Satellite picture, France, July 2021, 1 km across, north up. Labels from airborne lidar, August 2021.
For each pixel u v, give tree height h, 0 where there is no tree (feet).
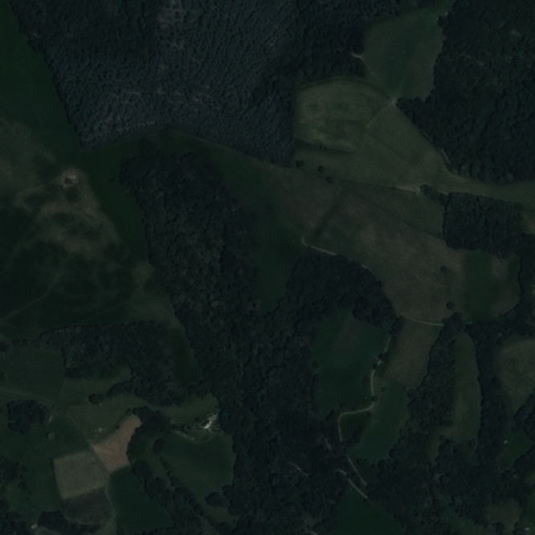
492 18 73
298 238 0
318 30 66
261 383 69
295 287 54
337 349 0
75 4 68
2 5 0
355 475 39
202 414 0
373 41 0
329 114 0
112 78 66
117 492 0
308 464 73
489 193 0
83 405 0
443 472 69
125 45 80
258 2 74
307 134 0
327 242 0
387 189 0
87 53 74
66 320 0
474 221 62
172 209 67
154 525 0
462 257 0
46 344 59
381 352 0
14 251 0
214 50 60
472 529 0
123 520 0
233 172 0
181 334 0
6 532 51
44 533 0
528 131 69
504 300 0
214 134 44
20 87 0
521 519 24
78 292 0
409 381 0
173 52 52
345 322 0
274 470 84
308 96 0
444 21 59
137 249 0
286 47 76
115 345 69
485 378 75
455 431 0
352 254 0
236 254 80
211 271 22
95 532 40
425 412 81
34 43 75
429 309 0
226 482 0
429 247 0
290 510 84
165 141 0
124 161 29
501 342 37
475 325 52
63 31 59
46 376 0
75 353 66
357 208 0
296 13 46
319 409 52
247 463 92
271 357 84
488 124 67
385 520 0
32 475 0
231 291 82
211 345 49
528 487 61
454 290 0
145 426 63
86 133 61
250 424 93
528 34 74
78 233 0
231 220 67
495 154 64
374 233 0
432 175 0
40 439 0
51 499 0
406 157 0
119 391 64
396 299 0
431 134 42
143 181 52
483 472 64
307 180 0
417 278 0
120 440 0
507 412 36
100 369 88
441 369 80
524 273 64
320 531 59
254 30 57
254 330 68
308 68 80
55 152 0
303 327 89
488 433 61
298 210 0
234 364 101
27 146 0
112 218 0
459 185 0
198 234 78
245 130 51
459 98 74
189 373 0
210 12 55
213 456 0
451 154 50
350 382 0
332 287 66
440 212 0
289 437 79
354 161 0
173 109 60
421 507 97
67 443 0
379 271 0
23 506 0
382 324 64
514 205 49
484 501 78
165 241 82
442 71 74
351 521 0
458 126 42
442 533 85
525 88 29
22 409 91
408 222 0
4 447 0
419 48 0
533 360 0
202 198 81
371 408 0
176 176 72
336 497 70
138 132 50
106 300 0
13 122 0
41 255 0
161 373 78
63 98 57
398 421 0
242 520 29
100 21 71
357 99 0
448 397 62
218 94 46
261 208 0
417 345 0
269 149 48
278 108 61
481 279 0
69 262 0
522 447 0
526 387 0
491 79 96
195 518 92
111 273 0
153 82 60
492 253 35
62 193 0
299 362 78
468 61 61
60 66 70
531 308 65
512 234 67
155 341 83
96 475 0
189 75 56
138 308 0
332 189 0
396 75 0
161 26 64
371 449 0
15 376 0
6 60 0
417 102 56
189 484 0
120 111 66
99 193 0
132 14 93
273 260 0
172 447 0
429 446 79
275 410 66
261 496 36
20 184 0
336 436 32
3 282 0
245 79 55
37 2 59
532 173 59
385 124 0
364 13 49
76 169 0
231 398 87
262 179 0
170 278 53
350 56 67
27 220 0
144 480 55
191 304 74
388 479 42
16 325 0
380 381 0
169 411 0
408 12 0
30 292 0
